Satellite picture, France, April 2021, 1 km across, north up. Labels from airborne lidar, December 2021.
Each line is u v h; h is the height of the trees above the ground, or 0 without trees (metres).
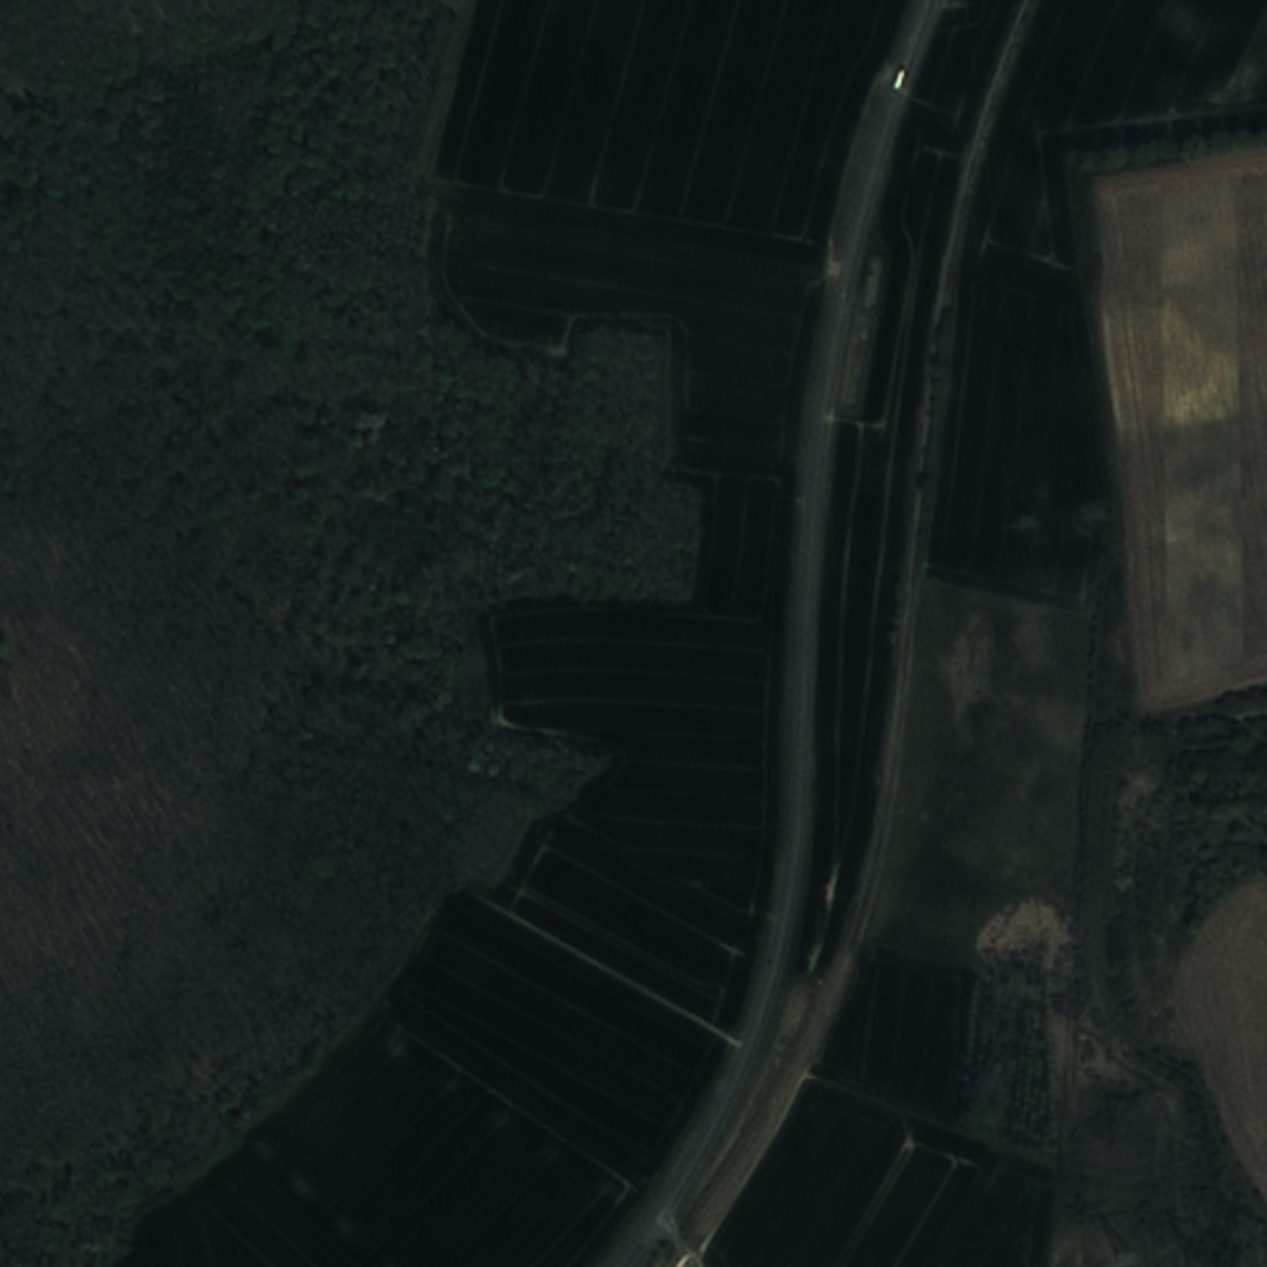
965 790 0
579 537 34
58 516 25
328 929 25
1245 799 14
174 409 26
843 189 0
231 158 23
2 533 22
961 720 0
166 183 18
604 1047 0
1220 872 16
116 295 21
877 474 0
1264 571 0
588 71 0
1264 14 0
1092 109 0
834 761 0
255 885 23
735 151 0
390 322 26
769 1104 0
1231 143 19
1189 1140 9
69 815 26
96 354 25
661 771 0
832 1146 0
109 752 28
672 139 0
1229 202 0
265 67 14
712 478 0
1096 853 0
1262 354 0
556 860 0
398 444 24
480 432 28
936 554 0
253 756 16
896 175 0
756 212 0
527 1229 0
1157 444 0
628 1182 0
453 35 17
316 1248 0
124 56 23
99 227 22
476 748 23
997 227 0
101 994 25
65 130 20
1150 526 0
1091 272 0
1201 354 0
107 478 23
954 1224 0
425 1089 0
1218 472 0
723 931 0
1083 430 0
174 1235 0
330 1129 0
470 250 0
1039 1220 0
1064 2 0
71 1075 26
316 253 22
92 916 27
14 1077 25
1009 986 22
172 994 25
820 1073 0
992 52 0
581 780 22
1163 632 0
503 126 0
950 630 0
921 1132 0
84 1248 15
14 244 26
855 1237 0
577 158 0
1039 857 0
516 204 0
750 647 0
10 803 21
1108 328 0
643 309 0
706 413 0
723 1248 0
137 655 24
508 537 14
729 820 0
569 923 0
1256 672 0
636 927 0
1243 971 0
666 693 0
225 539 22
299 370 24
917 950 0
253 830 24
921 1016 0
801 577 0
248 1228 0
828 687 0
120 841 25
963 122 0
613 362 23
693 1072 0
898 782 0
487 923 0
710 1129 0
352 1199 0
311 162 23
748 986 0
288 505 17
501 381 29
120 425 23
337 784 25
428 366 21
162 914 29
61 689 23
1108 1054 0
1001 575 0
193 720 24
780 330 0
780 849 0
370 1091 0
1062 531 0
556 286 0
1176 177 0
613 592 19
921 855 0
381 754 22
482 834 23
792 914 0
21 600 24
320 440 23
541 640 0
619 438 23
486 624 0
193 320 22
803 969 0
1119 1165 0
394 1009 0
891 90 0
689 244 0
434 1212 0
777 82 0
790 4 0
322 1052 16
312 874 24
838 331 0
